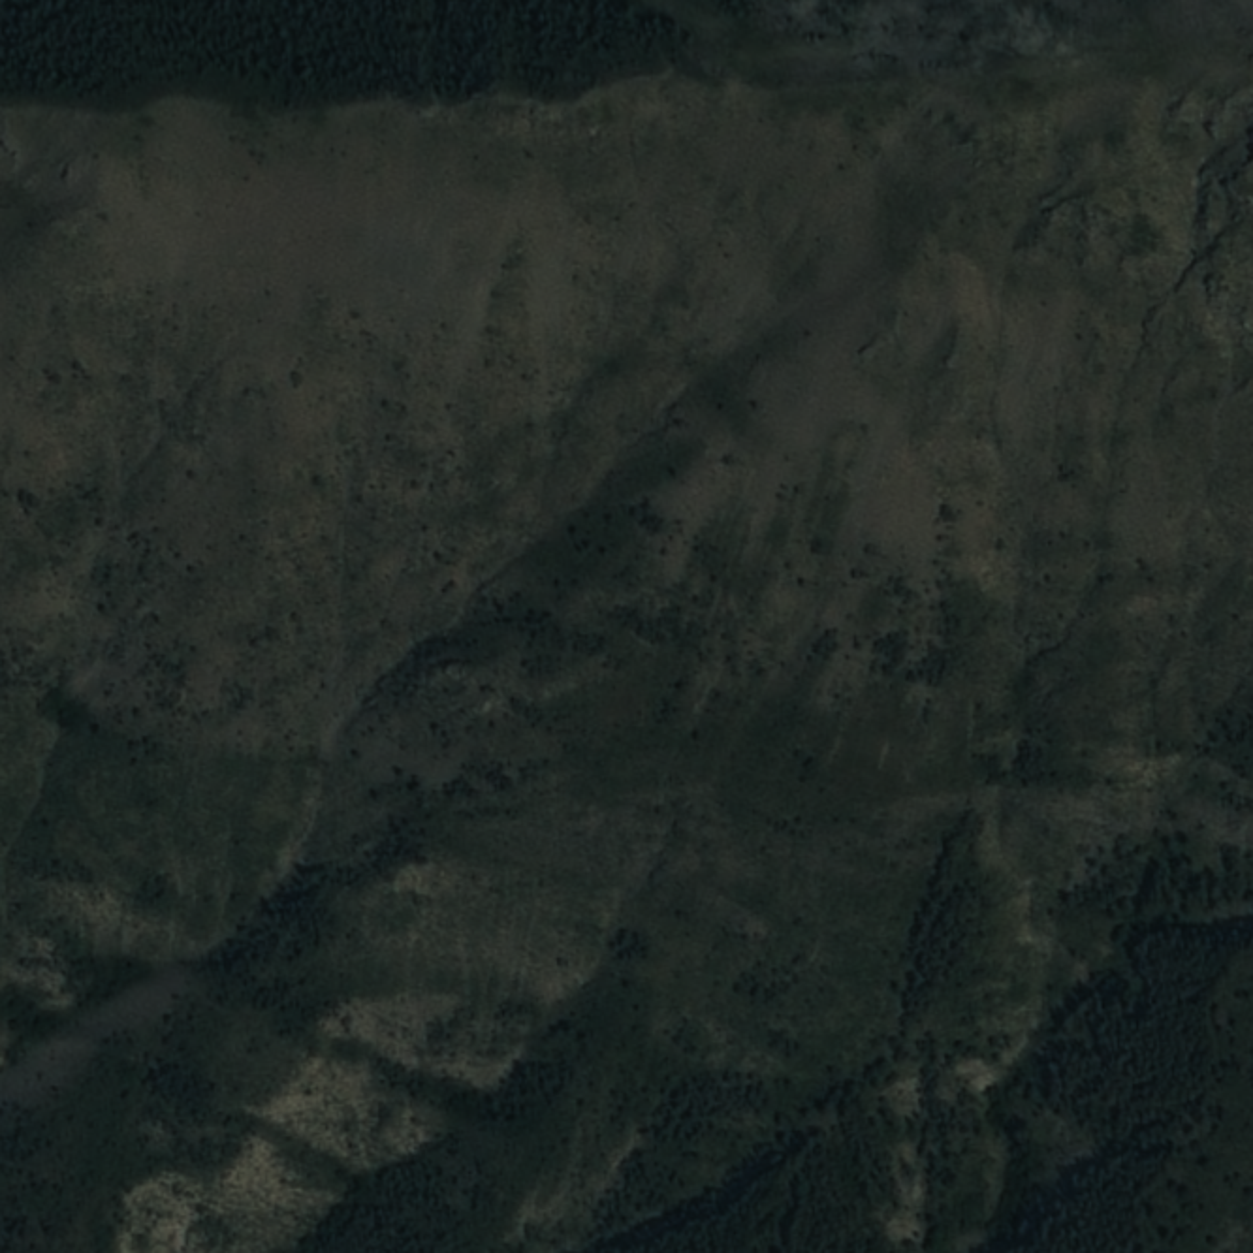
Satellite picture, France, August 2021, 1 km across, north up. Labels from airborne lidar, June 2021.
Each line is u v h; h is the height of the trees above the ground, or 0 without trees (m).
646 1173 13
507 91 0
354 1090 0
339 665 0
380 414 0
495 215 0
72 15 13
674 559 0
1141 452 0
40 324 0
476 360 0
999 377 0
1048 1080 10
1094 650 0
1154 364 0
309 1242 17
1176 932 30
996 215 0
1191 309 0
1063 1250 27
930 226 0
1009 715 9
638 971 0
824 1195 19
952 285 0
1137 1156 25
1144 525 0
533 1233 10
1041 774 13
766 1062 0
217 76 0
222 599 0
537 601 0
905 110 0
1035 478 0
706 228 0
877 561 0
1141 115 0
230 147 0
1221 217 0
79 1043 0
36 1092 0
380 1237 8
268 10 6
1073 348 0
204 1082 8
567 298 0
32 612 0
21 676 6
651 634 6
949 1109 14
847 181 0
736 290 0
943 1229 8
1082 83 0
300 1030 6
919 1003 18
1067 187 0
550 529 0
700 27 0
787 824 8
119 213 0
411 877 0
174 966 0
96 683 0
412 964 0
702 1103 11
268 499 0
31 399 0
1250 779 8
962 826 8
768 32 0
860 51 0
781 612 0
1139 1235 21
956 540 0
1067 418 0
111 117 0
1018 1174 10
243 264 0
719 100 0
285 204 0
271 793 0
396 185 0
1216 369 0
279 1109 0
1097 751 0
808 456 0
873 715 0
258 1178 0
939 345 0
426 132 0
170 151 0
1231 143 0
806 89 0
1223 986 16
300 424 0
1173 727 0
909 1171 6
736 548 0
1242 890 12
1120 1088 23
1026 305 0
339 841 0
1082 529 0
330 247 0
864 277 0
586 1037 10
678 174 0
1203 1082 22
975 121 0
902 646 12
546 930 0
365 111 0
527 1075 15
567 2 7
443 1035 6
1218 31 0
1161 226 0
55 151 0
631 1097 6
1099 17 0
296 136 0
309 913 12
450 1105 6
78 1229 0
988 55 0
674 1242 25
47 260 0
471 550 0
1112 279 0
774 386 0
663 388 0
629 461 0
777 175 0
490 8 8
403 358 0
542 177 0
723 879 0
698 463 0
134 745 11
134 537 9
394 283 0
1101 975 6
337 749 0
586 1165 6
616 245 0
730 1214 22
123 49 8
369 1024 0
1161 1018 23
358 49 5
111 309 0
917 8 0
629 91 0
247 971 8
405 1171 6
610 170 0
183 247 0
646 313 0
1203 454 0
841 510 0
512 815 7
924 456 0
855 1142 18
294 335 0
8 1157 10
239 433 0
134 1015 0
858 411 0
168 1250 0
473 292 0
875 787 0
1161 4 0
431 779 0
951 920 20
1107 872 14
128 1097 10
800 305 0
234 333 0
